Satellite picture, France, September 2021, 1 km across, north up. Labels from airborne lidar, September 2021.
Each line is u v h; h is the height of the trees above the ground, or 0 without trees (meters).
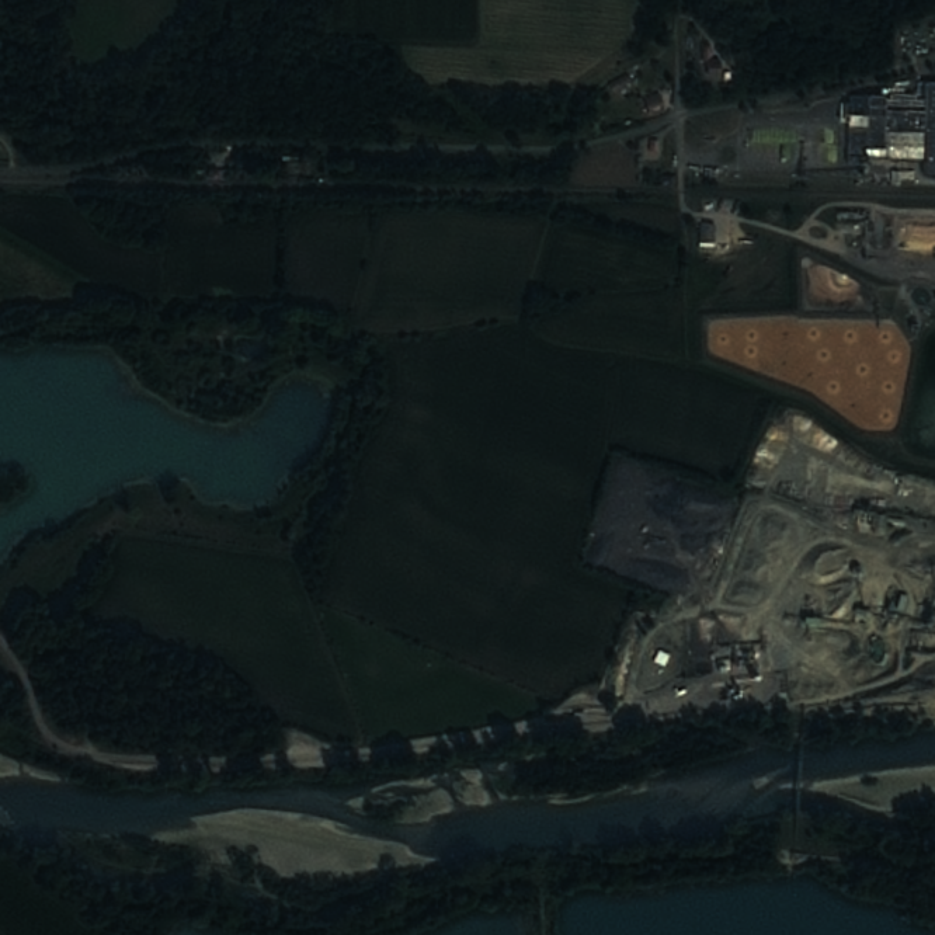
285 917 16
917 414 0
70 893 19
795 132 0
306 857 0
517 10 0
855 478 0
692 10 13
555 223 7
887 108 0
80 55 0
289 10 16
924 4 16
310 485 8
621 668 0
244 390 8
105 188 13
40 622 31
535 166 15
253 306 9
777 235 0
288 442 0
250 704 22
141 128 24
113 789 8
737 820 9
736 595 0
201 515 0
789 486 0
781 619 0
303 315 17
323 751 0
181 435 0
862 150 0
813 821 20
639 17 13
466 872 29
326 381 0
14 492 10
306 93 28
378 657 0
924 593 0
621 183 0
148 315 20
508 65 0
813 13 16
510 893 9
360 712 0
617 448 7
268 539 0
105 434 0
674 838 13
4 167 0
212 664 24
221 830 0
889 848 17
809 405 0
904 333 0
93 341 7
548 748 32
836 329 0
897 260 0
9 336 15
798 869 11
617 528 0
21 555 9
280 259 13
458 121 20
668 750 14
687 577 0
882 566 0
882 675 0
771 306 0
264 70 20
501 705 0
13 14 16
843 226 0
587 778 11
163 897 26
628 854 24
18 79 15
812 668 0
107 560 19
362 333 7
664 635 0
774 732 19
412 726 0
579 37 0
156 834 0
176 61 25
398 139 12
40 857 28
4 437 0
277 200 6
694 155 0
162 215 14
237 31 32
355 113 25
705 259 0
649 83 0
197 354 8
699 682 0
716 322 0
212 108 24
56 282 0
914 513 8
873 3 15
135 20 0
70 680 15
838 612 0
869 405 0
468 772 0
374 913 13
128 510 22
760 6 10
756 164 0
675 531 0
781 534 0
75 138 22
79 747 0
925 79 0
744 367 0
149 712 23
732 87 6
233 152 7
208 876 0
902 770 0
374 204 12
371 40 12
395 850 0
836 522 0
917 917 21
